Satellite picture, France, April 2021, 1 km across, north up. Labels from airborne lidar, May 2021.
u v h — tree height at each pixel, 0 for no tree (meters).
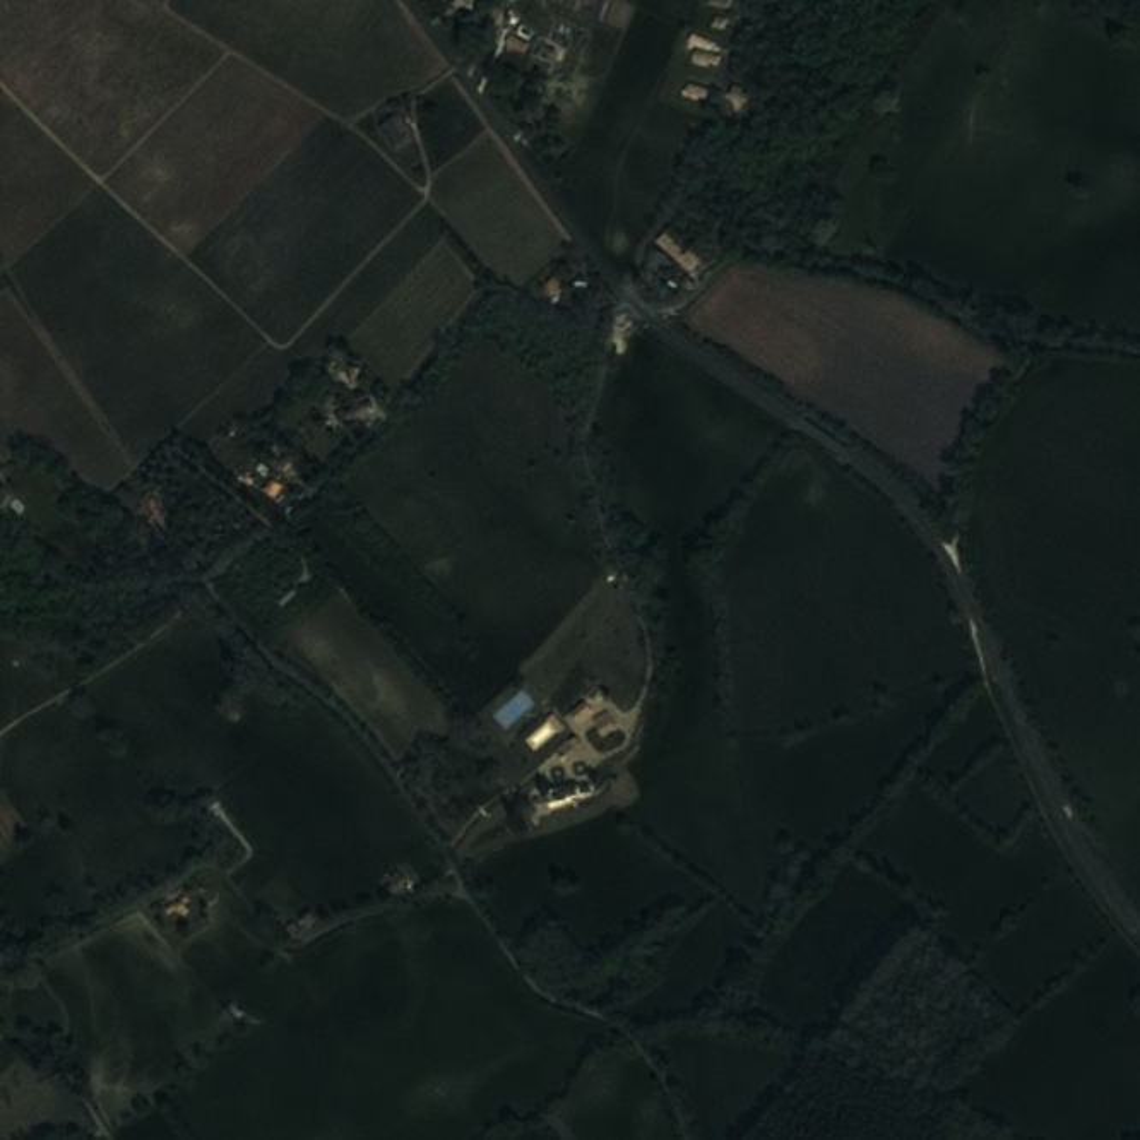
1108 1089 0
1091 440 0
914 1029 29
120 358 0
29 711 0
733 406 0
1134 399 0
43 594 20
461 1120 0
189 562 17
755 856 0
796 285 0
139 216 0
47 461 17
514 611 0
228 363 0
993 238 0
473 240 0
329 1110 0
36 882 0
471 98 0
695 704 0
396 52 0
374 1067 0
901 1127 27
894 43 20
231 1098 0
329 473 12
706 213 17
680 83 0
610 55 0
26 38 0
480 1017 0
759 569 0
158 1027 0
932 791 11
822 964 0
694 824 0
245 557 13
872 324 0
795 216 22
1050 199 0
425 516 0
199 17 0
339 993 0
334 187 0
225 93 0
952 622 8
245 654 18
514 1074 0
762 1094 0
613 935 0
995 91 0
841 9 16
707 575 20
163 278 0
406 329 0
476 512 0
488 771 18
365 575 0
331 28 0
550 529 0
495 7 11
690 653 0
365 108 0
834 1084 25
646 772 0
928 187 0
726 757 0
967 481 14
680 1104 19
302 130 0
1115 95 0
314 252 0
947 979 31
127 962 0
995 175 0
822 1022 0
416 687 0
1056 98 0
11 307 0
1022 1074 0
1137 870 0
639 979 16
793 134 25
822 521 0
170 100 0
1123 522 0
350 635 0
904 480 11
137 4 0
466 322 8
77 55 0
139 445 0
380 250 0
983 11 0
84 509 11
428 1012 0
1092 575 0
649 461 0
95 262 0
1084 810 10
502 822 0
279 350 0
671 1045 0
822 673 0
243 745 0
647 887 0
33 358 0
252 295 0
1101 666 0
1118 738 0
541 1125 12
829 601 0
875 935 0
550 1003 10
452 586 0
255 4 0
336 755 0
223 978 0
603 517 15
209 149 0
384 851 0
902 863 0
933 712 0
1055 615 0
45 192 0
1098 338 12
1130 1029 0
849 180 0
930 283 20
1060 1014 0
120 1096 0
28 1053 12
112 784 0
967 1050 30
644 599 24
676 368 0
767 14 14
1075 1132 0
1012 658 11
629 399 0
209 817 17
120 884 0
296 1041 0
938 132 0
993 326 13
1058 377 0
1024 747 0
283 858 0
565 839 0
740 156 19
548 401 0
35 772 0
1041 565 0
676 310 0
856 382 0
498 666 0
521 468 0
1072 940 0
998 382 14
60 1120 0
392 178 0
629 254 0
